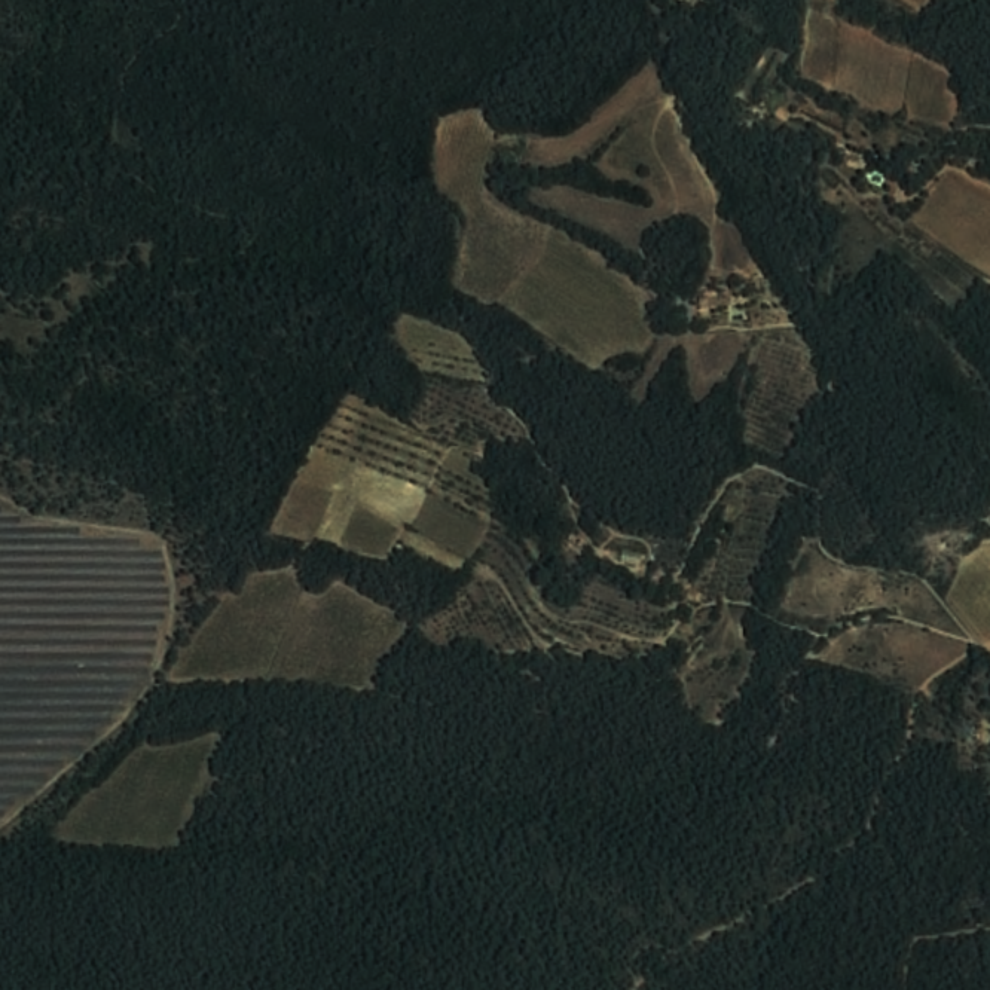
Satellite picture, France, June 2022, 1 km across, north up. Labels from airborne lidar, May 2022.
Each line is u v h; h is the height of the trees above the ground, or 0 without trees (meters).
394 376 17
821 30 0
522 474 14
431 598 16
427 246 14
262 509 14
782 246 20
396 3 6
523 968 14
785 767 10
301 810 15
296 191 18
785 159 16
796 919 15
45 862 17
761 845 12
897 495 17
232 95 7
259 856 17
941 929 7
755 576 14
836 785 13
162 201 7
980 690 17
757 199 18
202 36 7
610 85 17
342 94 6
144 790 0
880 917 19
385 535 0
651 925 8
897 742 16
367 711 18
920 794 11
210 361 13
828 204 15
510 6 7
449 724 15
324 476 0
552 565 19
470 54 7
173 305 16
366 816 13
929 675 0
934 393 20
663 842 14
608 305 0
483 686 17
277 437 7
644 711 16
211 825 15
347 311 7
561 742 13
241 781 7
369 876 16
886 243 0
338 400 6
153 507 13
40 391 8
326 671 0
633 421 17
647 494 15
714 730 15
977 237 0
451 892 15
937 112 0
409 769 18
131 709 0
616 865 10
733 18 18
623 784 9
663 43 7
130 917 18
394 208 8
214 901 16
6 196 6
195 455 12
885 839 8
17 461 13
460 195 0
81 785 15
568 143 0
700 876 10
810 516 9
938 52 14
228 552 10
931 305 12
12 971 16
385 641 0
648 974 12
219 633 0
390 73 7
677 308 12
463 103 12
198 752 0
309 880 7
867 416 18
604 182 10
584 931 10
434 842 11
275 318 6
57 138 9
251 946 17
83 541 0
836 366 15
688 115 11
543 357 12
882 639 0
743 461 14
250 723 18
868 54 0
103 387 14
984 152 9
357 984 18
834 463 18
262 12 17
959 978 13
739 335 0
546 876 9
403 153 9
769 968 6
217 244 11
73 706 0
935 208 0
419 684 18
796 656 12
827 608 0
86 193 11
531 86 20
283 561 7
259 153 8
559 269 0
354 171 11
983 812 17
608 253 18
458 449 0
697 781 14
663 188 0
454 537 0
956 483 12
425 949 17
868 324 18
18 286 18
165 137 13
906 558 12
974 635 0
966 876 9
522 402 18
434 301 14
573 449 15
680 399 11
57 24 15
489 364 17
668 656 21
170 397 15
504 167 18
